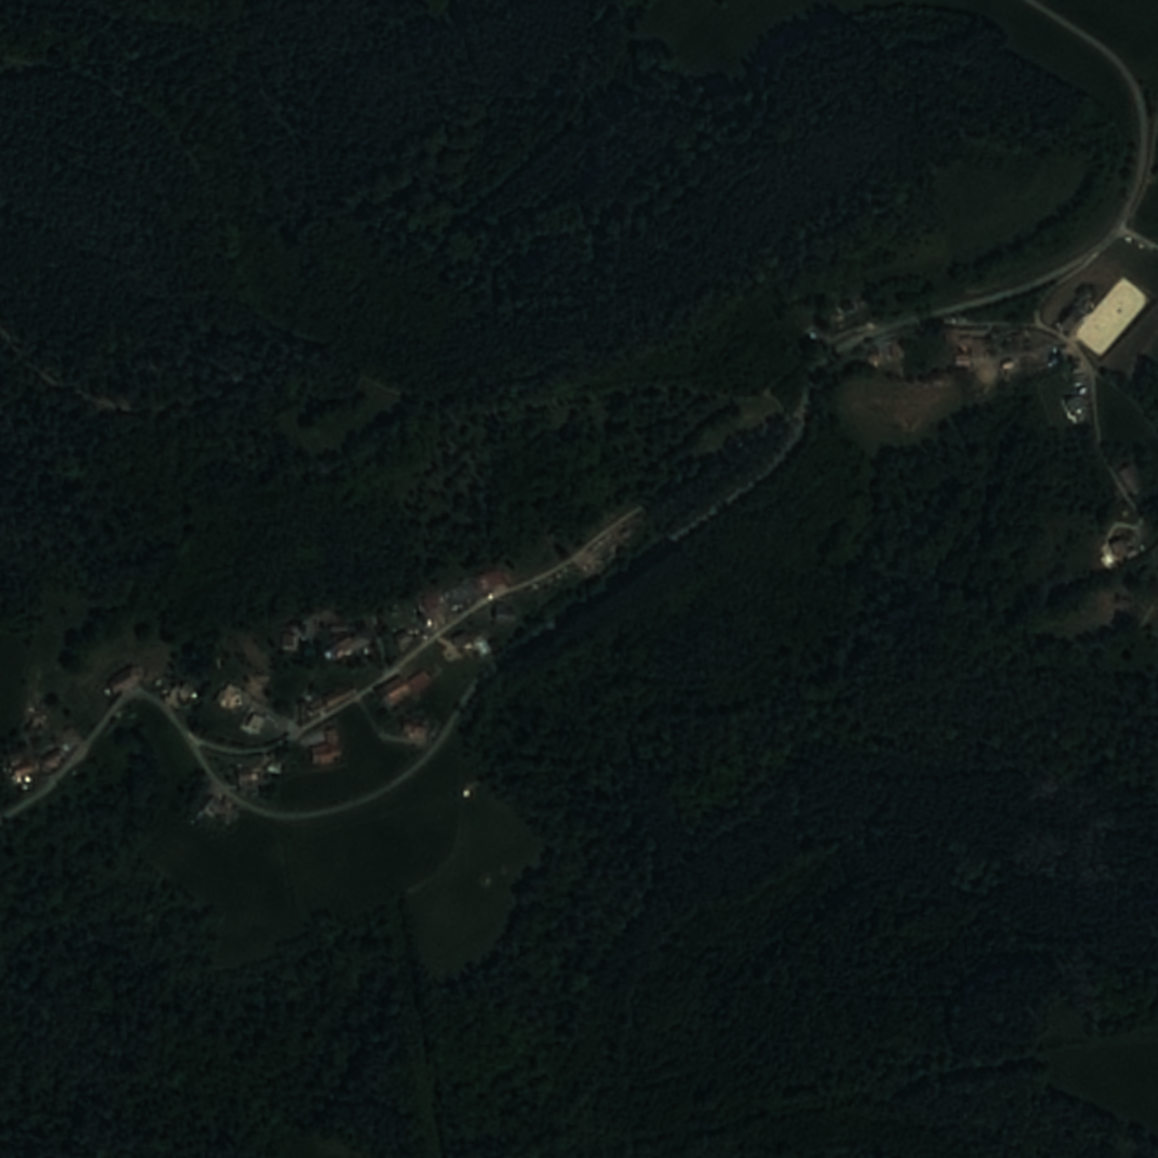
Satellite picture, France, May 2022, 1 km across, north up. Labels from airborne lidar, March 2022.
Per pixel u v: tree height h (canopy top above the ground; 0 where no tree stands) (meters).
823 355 12
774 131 31
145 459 9
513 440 21
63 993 26
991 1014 25
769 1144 10
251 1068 14
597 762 8
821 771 25
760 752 31
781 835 28
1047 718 19
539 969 22
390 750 0
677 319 16
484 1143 19
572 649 24
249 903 0
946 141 24
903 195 22
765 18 0
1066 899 24
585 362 15
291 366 31
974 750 25
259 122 24
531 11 30
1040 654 15
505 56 32
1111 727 27
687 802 23
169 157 16
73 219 16
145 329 21
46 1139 36
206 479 14
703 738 21
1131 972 19
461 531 11
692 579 14
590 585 11
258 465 12
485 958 0
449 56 28
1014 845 28
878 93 22
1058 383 0
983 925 8
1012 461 13
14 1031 34
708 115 20
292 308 12
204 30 15
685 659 20
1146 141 0
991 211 0
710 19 0
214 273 13
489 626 0
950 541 18
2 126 15
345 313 19
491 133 19
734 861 27
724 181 27
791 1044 9
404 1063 26
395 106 26
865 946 8
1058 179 0
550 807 26
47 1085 8
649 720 25
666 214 30
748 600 11
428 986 14
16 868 24
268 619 10
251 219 22
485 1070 18
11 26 12
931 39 6
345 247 15
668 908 24
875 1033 14
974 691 20
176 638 20
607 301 18
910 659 29
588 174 11
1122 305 0
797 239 28
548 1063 9
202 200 12
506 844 0
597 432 19
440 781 0
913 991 6
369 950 22
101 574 24
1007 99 23
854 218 24
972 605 26
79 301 17
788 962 25
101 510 29
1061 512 8
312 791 0
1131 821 24
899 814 27
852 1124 8
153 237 9
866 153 20
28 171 15
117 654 0
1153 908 34
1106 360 0
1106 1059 0
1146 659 0
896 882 28
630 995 16
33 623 10
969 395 0
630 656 24
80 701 0
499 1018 21
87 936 17
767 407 0
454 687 0
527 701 16
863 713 26
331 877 0
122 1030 20
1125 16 0
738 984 11
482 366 14
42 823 18
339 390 15
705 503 17
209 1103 12
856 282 12
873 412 0
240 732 0
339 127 24
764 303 7
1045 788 26
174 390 15
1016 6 0
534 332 17
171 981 18
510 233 31
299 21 22
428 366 16
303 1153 0
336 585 17
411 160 40
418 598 7
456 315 14
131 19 15
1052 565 0
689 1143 20
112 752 0
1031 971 26
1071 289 0
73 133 12
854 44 24
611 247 28
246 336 18
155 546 9
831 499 10
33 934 7
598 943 22
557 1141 24
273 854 0
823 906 9
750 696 14
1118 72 0
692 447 15
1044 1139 21
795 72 28
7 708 0
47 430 32
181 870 0
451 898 0
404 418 18
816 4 0
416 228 28
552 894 22
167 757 0
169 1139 16
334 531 14
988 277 13
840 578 18
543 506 16
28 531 29
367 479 18
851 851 23
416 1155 17
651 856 22
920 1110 21
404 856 0
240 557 14
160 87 14
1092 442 15
